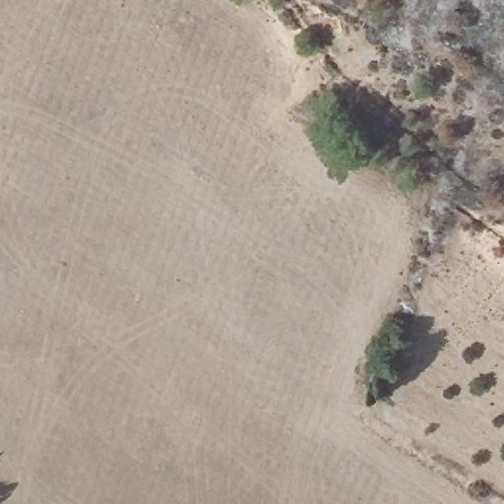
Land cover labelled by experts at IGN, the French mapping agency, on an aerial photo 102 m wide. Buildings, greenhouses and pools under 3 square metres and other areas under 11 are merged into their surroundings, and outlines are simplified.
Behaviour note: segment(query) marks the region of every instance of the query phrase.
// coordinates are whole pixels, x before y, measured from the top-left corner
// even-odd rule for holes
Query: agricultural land
[[[311,140],[305,134],[305,128],[315,120],[315,116],[303,100],[313,91],[317,91],[321,85],[327,85],[331,73],[325,67],[323,55],[319,51],[313,55],[297,53],[295,37],[301,33],[283,24],[278,12],[272,8],[270,0],[0,0],[0,504],[504,504],[504,224],[492,224],[490,217],[478,220],[478,211],[471,209],[461,199],[453,199],[449,179],[445,177],[445,173],[439,175],[437,183],[425,183],[415,189],[402,193],[396,185],[392,185],[388,177],[368,167],[350,171],[343,183],[327,175],[327,167],[317,156]],[[376,380],[372,374],[366,372],[366,346],[370,345],[374,335],[378,335],[386,317],[400,329],[400,348],[388,350],[384,354],[384,362],[388,370],[400,376],[406,384],[384,402],[366,406],[366,386]]]

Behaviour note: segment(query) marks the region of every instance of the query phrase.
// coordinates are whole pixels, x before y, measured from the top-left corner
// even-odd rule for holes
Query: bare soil
[[[323,55],[325,67],[331,73],[327,85],[333,87],[337,108],[348,116],[346,132],[356,134],[368,150],[378,152],[386,144],[396,152],[400,148],[402,136],[411,138],[411,169],[415,169],[415,189],[425,183],[437,183],[439,175],[445,173],[445,177],[449,179],[453,199],[461,199],[471,209],[478,211],[478,220],[490,217],[492,224],[504,224],[504,0],[270,0],[272,8],[278,12],[283,24],[301,33],[295,37],[297,53],[313,55],[319,51]]]

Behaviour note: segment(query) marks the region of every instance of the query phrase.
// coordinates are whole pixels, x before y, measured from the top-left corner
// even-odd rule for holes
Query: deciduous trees
[[[315,120],[305,128],[305,134],[311,140],[317,156],[327,167],[327,175],[343,183],[350,171],[368,167],[388,177],[392,185],[396,185],[402,193],[415,189],[415,169],[411,169],[411,138],[402,136],[400,148],[396,152],[386,144],[378,152],[368,150],[356,134],[346,132],[348,116],[337,108],[333,87],[327,85],[321,85],[317,91],[313,91],[303,100],[315,116]]]
[[[388,370],[384,362],[384,354],[388,350],[400,348],[400,329],[386,317],[378,335],[374,335],[370,345],[366,346],[366,372],[372,374],[376,380],[366,386],[366,406],[384,402],[406,384],[400,376]]]

